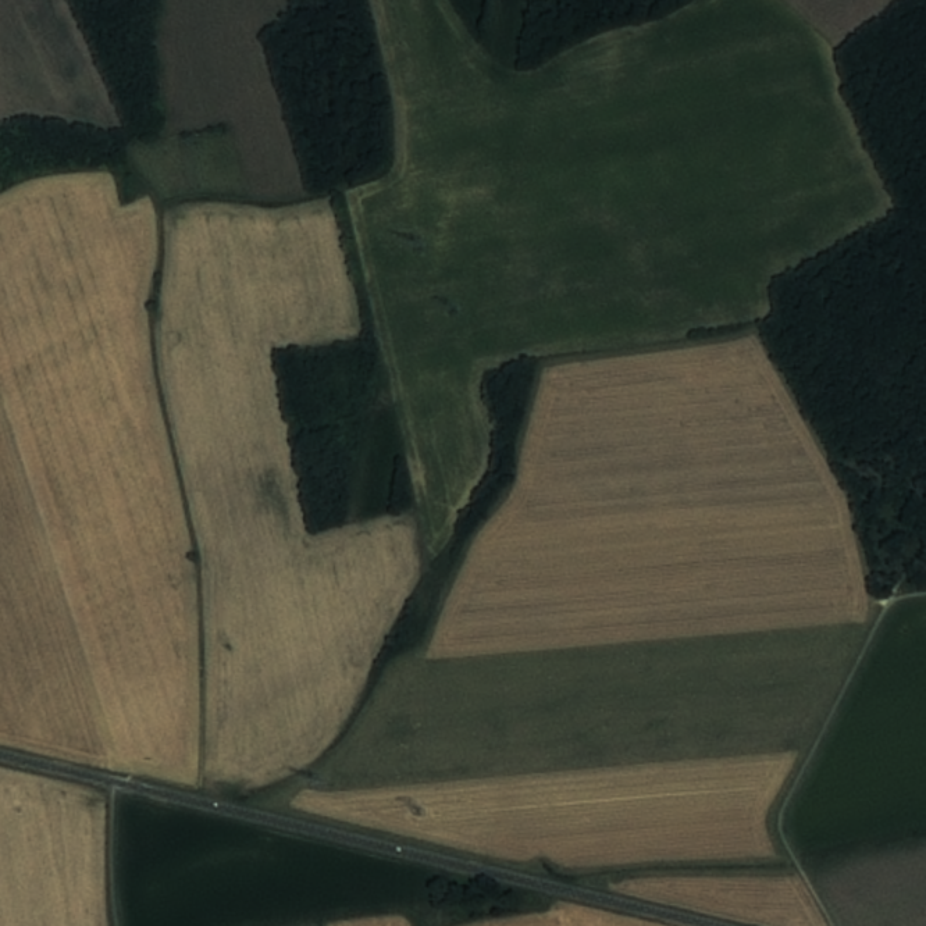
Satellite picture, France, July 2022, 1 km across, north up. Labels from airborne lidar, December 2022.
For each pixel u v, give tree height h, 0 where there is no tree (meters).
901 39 15
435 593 0
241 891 0
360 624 0
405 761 0
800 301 16
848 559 0
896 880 0
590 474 0
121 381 0
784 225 0
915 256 19
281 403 9
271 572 0
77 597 0
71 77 0
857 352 19
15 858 0
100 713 0
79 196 0
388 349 0
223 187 0
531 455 0
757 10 0
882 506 22
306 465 18
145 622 0
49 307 0
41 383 0
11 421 0
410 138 0
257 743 0
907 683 0
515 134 0
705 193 0
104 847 0
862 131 11
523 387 19
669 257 0
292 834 0
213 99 0
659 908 0
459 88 0
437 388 0
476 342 0
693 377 0
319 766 0
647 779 0
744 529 0
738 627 0
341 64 16
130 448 0
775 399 0
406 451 0
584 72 0
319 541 0
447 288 0
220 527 0
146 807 0
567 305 0
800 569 0
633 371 0
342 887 0
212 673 0
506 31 0
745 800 0
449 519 0
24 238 0
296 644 0
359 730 0
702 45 0
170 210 0
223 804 0
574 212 0
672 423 0
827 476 0
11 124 13
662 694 0
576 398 0
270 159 0
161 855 0
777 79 0
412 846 0
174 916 0
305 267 0
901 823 0
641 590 0
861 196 0
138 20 19
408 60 0
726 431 0
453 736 0
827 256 15
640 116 0
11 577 0
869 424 18
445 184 0
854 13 0
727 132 0
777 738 0
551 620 0
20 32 0
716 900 0
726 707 0
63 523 0
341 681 0
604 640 0
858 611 0
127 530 0
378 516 0
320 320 0
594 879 0
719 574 0
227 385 0
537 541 0
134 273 0
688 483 0
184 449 0
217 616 0
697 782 0
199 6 0
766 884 0
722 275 0
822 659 0
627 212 0
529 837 0
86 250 0
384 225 0
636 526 0
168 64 0
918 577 23
